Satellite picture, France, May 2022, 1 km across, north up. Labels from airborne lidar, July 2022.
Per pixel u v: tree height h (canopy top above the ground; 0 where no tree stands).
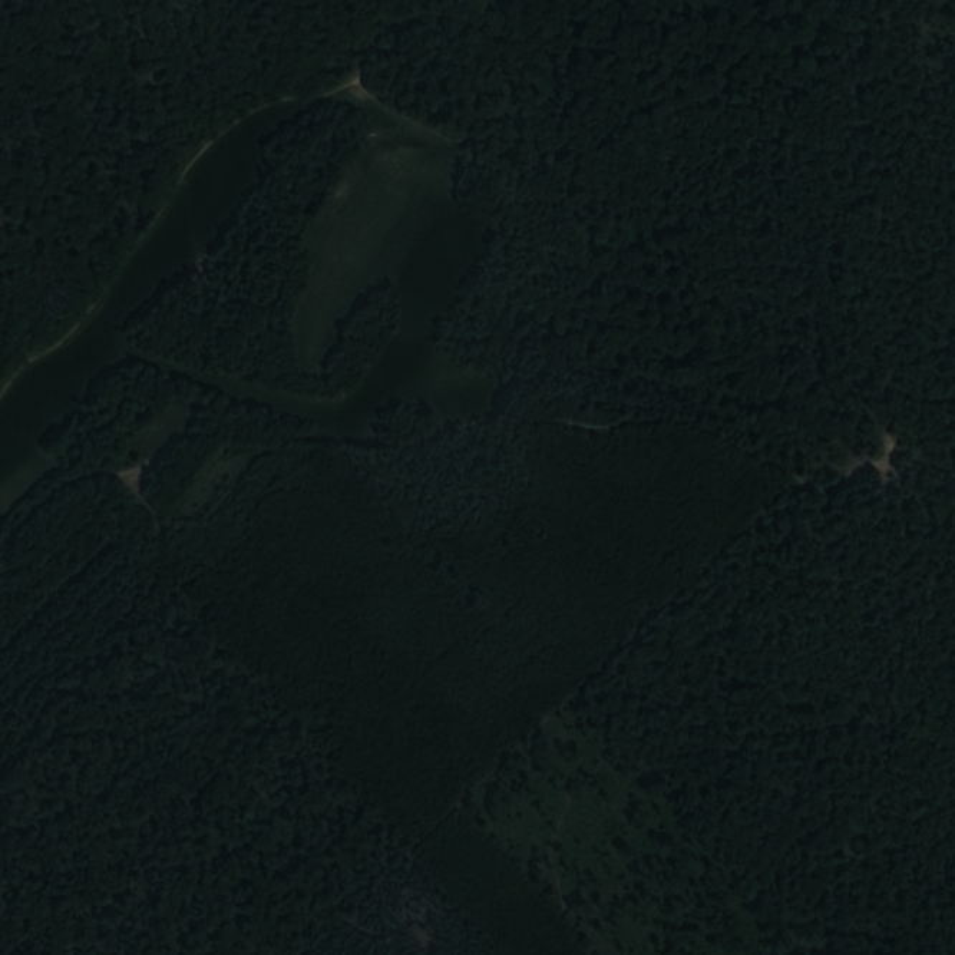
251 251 20
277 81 29
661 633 25
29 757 20
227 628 15
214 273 18
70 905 22
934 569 18
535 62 22
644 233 23
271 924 20
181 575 19
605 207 25
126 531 20
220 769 19
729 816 17
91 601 19
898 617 14
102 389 21
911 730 25
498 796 19
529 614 11
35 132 23
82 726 26
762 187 24
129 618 17
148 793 22
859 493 22
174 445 16
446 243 0
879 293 15
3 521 11
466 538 18
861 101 21
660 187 18
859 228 17
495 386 0
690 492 11
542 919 11
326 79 21
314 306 0
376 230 0
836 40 19
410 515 18
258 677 7
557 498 15
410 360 0
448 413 0
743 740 21
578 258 29
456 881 9
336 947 18
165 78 22
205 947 20
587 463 13
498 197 21
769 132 21
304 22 29
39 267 18
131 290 0
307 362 0
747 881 24
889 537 21
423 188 0
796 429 29
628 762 19
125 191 25
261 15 26
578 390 25
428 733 14
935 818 16
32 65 28
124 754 20
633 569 11
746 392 29
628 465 15
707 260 19
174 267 0
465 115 27
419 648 8
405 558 11
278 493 13
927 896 18
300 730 23
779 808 19
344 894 17
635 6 29
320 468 15
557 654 10
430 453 20
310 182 16
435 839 6
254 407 20
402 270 0
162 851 26
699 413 14
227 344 26
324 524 13
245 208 11
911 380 17
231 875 19
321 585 13
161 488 24
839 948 26
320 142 18
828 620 14
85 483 21
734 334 21
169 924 25
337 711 14
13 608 24
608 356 24
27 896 22
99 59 30
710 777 22
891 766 18
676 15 27
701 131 15
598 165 22
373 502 20
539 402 20
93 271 21
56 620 12
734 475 13
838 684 20
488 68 27
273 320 15
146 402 21
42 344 17
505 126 28
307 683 11
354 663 18
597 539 14
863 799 21
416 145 0
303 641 16
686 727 18
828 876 19
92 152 22
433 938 19
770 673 21
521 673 13
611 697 22
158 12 16
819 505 22
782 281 21
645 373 25
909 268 15
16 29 31
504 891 8
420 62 22
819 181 20
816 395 30
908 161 22
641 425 16
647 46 28
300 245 21
